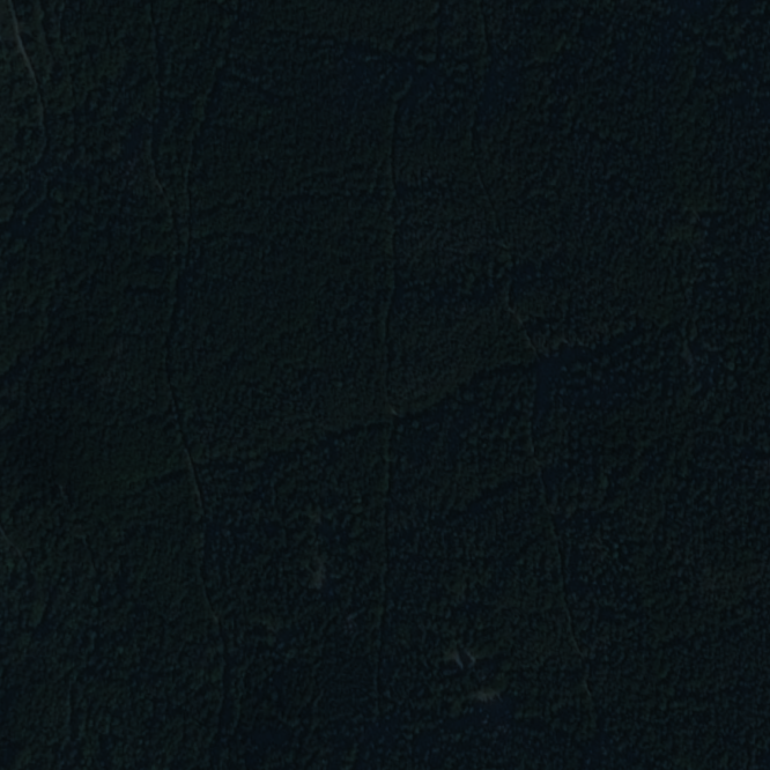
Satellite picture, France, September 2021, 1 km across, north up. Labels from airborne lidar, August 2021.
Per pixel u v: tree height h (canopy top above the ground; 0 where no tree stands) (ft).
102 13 78
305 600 56
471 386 42
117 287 73
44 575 26
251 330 54
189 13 66
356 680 44
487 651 85
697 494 51
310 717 76
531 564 52
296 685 78
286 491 70
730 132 53
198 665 84
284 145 80
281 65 73
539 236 60
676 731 57
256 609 75
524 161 50
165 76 71
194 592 65
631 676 61
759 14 81
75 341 89
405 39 71
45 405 75
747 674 58
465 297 61
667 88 76
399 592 41
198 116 70
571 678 68
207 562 63
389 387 56
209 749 58
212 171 70
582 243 89
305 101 79
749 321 49
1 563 72
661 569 77
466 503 52
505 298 52
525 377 74
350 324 81
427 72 54
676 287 36
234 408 64
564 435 52
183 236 54
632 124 88
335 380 69
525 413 56
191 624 68
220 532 80
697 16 62
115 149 60
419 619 45
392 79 63
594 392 82
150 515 52
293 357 74
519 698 70
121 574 22
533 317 54
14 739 99
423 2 57
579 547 66
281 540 84
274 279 75
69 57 47
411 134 73
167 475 47
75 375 74
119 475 61
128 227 72
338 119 59
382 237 72
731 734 76
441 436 49
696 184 65
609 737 70
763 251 74
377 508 56
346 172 58
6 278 63
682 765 91
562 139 69
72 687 42
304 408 65
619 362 77
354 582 64
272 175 77
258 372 77
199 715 96
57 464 84
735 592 39
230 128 73
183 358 52
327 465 46
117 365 45
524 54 64
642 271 58
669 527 67
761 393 62
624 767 77
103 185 69
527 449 42
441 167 55
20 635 78
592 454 50
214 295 57
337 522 27
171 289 53
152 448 81
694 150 59
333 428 62
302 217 67
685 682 79
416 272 73
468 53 82
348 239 73
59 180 77
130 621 76
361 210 62
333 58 61
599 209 65
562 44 48
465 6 57
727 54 61
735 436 84
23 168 51
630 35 68
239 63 52
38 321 59
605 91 84
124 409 58
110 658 73
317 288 79
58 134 65
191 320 70
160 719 99
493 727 59
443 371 52
